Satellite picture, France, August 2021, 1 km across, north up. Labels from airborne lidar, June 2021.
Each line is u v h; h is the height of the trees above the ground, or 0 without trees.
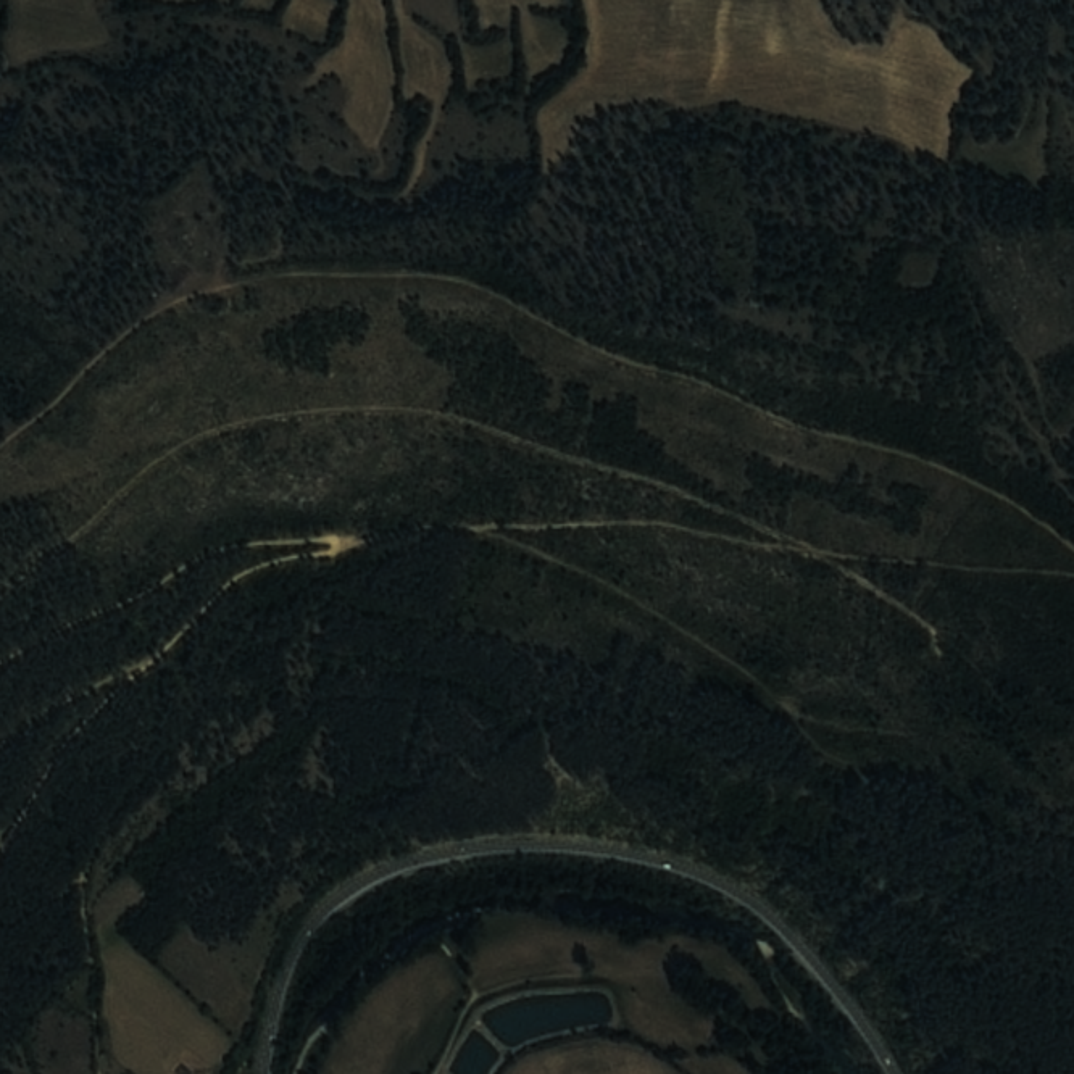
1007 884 22
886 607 8
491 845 0
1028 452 6
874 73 0
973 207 15
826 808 7
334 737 15
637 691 26
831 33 0
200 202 0
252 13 6
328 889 6
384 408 0
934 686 13
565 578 6
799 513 0
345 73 0
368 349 0
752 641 7
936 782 24
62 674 26
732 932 13
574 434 8
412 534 24
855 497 9
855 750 7
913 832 28
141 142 8
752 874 7
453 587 23
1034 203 21
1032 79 16
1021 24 17
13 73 9
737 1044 19
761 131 11
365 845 8
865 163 13
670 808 29
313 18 0
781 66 0
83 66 9
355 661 7
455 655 16
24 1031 8
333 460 0
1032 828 18
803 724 11
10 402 8
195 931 13
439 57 0
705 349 6
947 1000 29
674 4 0
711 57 0
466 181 12
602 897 16
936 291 9
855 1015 0
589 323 9
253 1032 14
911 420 10
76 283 7
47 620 24
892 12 13
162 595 22
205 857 16
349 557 10
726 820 13
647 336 9
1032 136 0
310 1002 15
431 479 7
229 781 12
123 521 0
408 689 19
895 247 6
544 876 19
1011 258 0
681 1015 0
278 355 7
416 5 0
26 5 0
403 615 10
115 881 8
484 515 7
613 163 14
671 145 13
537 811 21
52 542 25
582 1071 0
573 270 19
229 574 9
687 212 14
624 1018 0
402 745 18
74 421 6
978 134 11
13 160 17
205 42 10
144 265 6
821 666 7
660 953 0
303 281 0
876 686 9
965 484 0
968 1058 25
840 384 5
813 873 22
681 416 0
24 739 28
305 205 14
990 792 25
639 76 0
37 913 24
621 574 10
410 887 12
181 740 10
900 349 11
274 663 19
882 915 24
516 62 11
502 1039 0
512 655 13
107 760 23
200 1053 0
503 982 0
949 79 0
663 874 12
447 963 0
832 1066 17
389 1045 0
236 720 15
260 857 7
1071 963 26
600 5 0
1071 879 26
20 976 25
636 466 7
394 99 7
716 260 15
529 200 15
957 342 9
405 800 26
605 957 0
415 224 19
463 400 9
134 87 13
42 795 25
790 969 16
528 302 10
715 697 29
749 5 0
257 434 7
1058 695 7
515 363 11
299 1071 0
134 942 12
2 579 21
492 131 0
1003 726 11
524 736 24
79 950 22
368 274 0
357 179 7
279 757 9
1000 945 24
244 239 20
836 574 10
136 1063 0
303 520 7
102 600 24
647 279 16
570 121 0
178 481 0
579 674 14
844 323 6
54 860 24
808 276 8
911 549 0
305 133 9
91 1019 7
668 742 8
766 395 7
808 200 7
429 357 10
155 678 8
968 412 6
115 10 6
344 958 32
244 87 18
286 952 11
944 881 27
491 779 20
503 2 0
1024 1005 28
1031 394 10
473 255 16
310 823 14
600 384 0
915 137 0
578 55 13
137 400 0
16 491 0
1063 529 11
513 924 0
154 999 0
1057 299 0
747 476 8
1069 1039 28
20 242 18
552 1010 0
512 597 11
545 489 8
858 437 10
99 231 7
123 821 14
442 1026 0
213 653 15
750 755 27
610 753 24
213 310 11
